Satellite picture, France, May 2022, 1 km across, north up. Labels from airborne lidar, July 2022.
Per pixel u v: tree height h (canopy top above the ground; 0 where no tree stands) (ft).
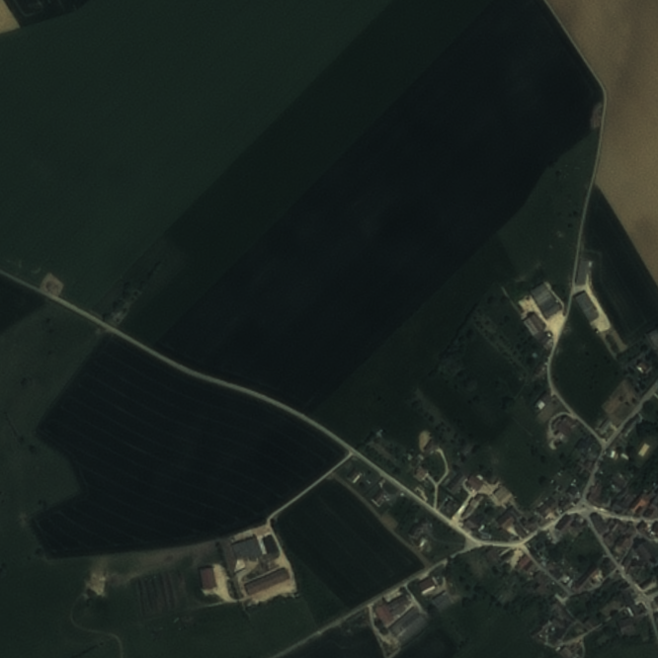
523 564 0
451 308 0
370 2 0
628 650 0
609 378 0
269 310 0
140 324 0
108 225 0
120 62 0
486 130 0
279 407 0
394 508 0
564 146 0
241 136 0
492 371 0
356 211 0
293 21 0
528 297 0
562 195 0
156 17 0
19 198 0
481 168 0
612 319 0
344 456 0
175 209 0
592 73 0
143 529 0
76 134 0
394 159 0
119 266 0
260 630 0
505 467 0
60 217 0
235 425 0
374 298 0
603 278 0
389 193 0
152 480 0
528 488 0
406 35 0
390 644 0
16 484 0
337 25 0
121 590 0
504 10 0
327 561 0
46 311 0
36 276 0
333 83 0
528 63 0
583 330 0
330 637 0
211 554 0
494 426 0
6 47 0
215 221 0
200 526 0
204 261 0
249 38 0
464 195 0
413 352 0
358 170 0
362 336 0
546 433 0
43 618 0
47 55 0
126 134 0
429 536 0
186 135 0
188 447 0
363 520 0
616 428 0
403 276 0
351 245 0
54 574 0
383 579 0
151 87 0
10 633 0
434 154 0
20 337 0
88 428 0
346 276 0
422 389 0
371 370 0
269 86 0
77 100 0
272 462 0
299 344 0
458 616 0
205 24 0
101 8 0
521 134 0
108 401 0
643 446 0
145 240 0
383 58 0
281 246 0
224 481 0
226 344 0
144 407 0
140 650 0
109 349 0
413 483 0
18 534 0
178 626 0
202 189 0
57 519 0
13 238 0
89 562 0
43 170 0
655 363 27
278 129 0
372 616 0
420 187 0
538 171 0
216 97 0
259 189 0
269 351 0
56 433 0
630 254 0
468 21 0
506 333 0
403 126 0
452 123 0
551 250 0
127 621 0
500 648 0
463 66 0
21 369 0
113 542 0
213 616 0
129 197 0
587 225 0
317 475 0
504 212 0
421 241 0
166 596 0
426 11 0
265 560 0
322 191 0
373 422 0
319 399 0
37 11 0
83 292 0
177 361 0
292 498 0
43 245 0
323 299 0
